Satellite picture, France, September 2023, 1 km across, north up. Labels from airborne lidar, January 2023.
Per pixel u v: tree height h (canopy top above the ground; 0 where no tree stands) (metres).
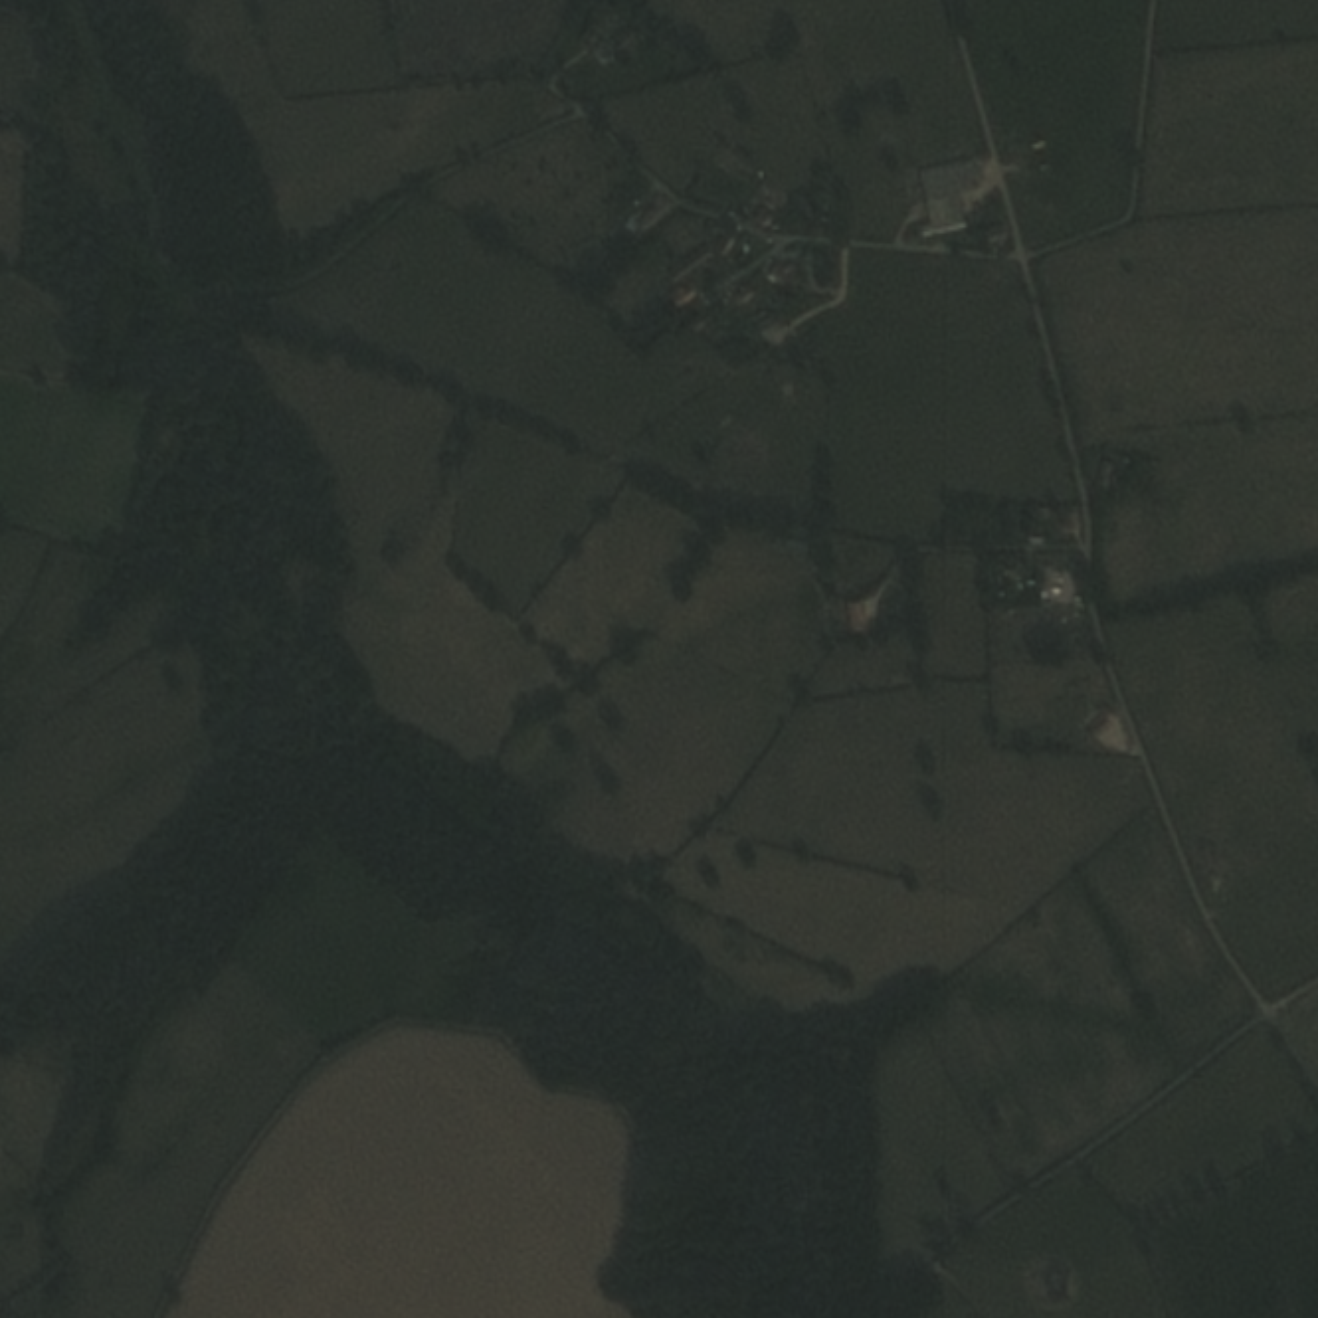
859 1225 19
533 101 0
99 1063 24
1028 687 0
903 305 0
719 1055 9
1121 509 0
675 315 9
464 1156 0
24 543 0
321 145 0
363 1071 0
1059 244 0
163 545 13
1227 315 0
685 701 0
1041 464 0
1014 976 0
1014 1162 0
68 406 0
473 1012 0
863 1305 19
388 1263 0
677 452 0
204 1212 0
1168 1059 0
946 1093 0
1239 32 0
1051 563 0
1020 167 0
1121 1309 0
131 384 12
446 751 11
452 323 0
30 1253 0
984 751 0
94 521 0
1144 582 0
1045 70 0
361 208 13
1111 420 0
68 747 0
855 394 0
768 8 0
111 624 10
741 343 8
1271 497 0
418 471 0
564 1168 0
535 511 0
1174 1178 0
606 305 8
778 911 0
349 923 0
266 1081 0
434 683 0
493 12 0
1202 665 0
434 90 0
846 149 0
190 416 13
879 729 0
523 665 0
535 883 15
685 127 0
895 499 0
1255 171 0
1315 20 0
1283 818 0
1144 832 0
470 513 0
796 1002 0
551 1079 17
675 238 0
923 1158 0
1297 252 0
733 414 0
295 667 9
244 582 20
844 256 0
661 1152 25
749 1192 10
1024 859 0
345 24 0
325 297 0
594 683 18
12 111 0
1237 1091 0
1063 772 0
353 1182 0
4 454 0
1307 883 0
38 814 0
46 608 0
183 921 14
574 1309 0
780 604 0
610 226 0
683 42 17
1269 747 0
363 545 0
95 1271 0
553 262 0
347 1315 0
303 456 21
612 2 10
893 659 0
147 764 0
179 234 20
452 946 0
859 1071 15
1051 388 14
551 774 0
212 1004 0
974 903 0
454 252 0
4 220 0
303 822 13
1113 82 0
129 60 20
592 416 0
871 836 0
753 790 0
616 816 0
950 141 0
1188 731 0
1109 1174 0
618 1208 0
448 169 0
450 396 14
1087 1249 0
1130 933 0
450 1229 0
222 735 21
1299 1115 0
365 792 14
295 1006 0
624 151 14
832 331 0
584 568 0
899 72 0
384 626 0
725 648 0
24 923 0
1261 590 15
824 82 0
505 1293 0
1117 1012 0
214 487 26
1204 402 0
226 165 18
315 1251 0
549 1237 0
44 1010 22
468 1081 0
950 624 0
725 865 0
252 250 19
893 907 0
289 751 11
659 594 0
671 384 0
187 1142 0
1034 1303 0
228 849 15
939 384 0
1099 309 0
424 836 11
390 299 0
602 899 21
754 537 0
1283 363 0
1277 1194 0
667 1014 24
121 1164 0
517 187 0
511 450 0
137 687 0
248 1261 0
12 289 0
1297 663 0
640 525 0
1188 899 0
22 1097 0
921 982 13
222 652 20
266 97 0
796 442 0
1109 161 0
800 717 0
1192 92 0
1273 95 0
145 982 31
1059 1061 0
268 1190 0
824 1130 26
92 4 29
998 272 0
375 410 0
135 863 8
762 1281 20
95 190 0
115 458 0
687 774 0
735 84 0
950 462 0
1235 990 0
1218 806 0
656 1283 33
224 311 21
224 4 0
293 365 0
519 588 0
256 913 7
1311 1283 0
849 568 0
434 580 0
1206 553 0
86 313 23
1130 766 0
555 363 0
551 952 32
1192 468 0
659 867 12
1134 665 0
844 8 0
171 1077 0
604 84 0
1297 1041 0
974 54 0
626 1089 15
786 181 0
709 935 0
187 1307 0
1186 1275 0
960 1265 0
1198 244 0
